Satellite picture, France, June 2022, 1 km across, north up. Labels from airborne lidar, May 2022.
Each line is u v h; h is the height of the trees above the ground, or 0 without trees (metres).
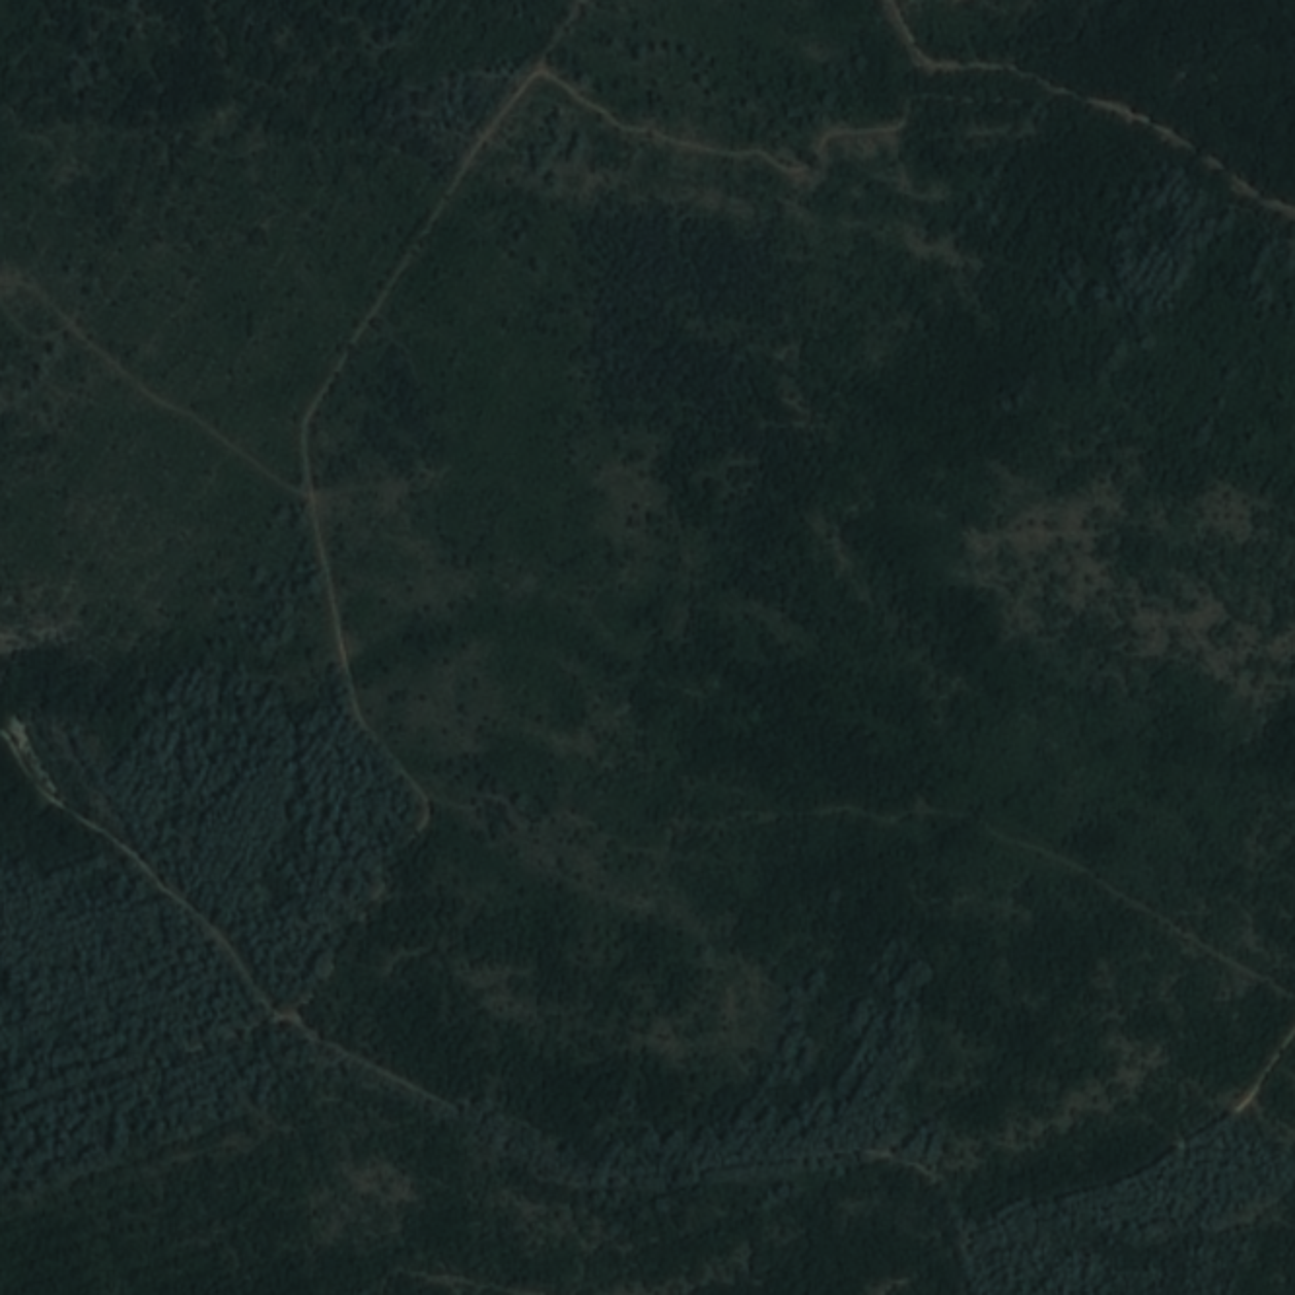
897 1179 11
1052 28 9
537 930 6
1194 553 7
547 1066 7
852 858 8
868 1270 12
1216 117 12
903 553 7
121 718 7
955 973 7
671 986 7
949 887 6
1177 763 7
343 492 0
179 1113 14
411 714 0
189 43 8
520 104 0
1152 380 8
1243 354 7
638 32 6
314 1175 6
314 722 23
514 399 0
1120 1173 9
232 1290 8
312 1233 6
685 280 8
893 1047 18
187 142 6
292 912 18
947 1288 9
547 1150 15
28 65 8
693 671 8
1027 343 7
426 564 0
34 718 6
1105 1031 6
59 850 7
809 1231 8
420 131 12
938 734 7
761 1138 19
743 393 8
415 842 7
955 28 0
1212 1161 14
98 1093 21
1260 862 6
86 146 0
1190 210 21
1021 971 7
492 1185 7
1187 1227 13
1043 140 7
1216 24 11
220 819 21
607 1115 6
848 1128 18
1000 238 10
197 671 16
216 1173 11
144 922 21
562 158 5
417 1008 9
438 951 7
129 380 0
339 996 7
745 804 5
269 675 6
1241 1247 16
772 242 6
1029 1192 9
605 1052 6
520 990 7
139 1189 8
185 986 18
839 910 7
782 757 10
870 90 8
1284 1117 5
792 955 6
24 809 11
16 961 19
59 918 23
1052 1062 7
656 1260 8
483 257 0
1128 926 7
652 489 0
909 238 0
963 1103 7
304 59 7
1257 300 19
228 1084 18
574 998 7
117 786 17
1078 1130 8
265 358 0
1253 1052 7
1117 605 6
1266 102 13
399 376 8
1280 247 13
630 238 6
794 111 16
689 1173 9
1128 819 8
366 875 13
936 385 8
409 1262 7
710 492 9
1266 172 15
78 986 16
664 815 7
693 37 0
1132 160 8
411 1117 8
